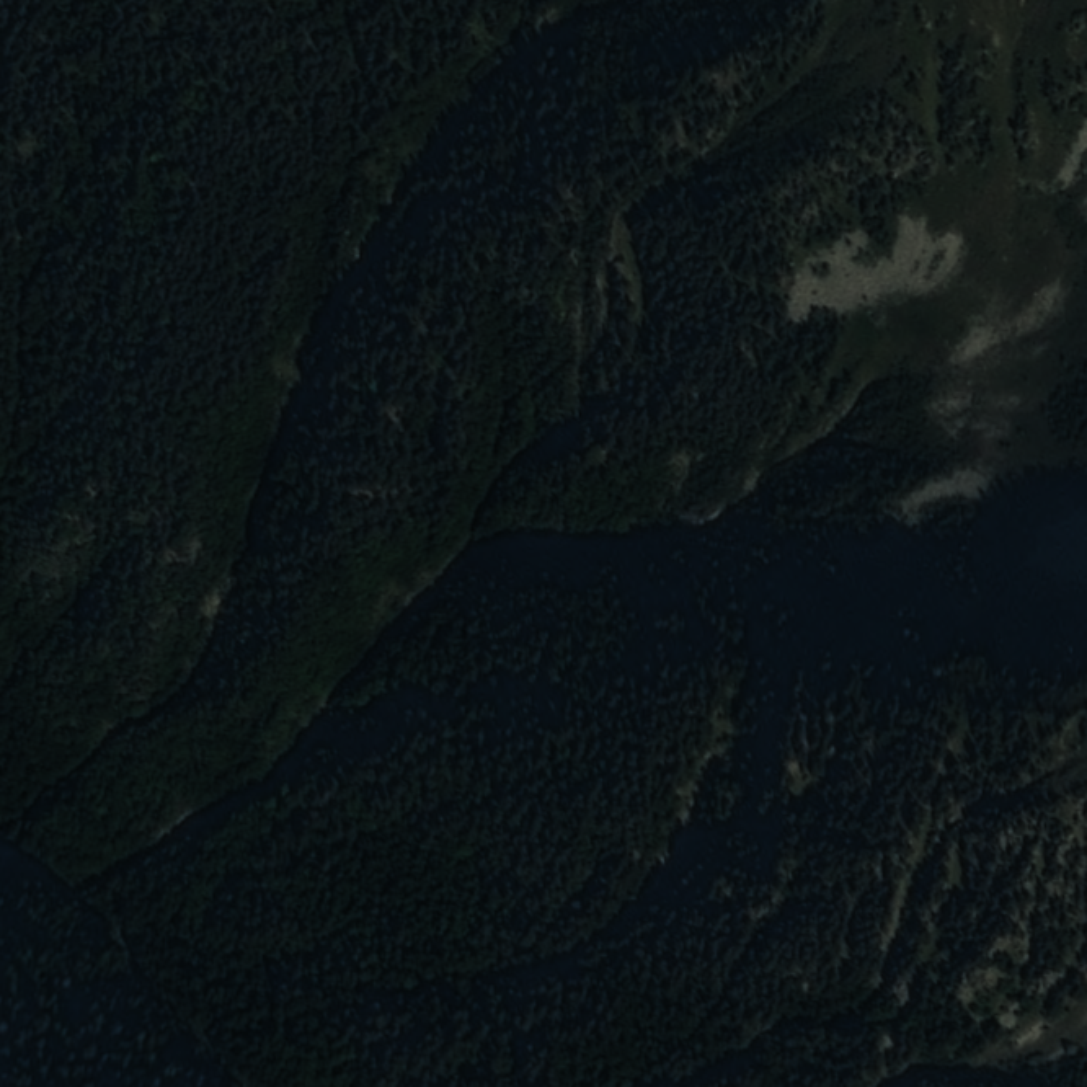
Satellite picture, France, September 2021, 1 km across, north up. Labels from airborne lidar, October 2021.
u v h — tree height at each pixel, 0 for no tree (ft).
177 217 69
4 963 78
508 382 46
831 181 23
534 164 29
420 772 115
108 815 62
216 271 77
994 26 0
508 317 56
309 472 116
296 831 111
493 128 44
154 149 21
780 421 36
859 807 104
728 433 53
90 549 46
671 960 97
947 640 24
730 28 18
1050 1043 0
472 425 59
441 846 91
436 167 44
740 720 65
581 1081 62
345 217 29
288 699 51
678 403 70
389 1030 147
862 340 0
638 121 30
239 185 65
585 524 46
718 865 20
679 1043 64
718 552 27
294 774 76
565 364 22
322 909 75
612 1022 83
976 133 32
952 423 0
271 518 70
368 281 89
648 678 52
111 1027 58
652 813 52
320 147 77
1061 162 0
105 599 58
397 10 28
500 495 51
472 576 71
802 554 36
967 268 0
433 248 24
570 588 34
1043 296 0
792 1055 31
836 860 74
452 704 71
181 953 88
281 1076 75
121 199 35
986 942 39
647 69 23
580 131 22
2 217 102
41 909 66
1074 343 0
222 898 69
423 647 63
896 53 0
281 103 36
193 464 95
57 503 82
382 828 91
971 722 40
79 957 81
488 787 105
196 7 50
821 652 19
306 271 54
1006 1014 27
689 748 61
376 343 89
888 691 24
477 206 117
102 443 89
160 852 35
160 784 58
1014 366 0
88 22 51
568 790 72
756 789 42
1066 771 0
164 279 85
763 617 38
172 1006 37
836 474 22
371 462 30
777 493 29
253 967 95
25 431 78
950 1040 99
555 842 67
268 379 28
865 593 18
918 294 0
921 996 99
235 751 81
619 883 98
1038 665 19
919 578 21
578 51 31
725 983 57
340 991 95
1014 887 18
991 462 0
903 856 71
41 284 79
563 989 105
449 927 92
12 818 75
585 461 67
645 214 35
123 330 67
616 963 64
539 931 94
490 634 52
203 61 90
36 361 77
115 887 50
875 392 24
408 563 52
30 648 83
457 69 41
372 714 39
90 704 85
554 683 65
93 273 63
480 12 24
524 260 50
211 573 31
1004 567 21
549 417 47
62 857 70
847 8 0
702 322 19
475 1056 31
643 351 47
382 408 94
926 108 0
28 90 43
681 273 70
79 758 65
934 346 0
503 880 67
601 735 92
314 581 100
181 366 100
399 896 80
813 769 105
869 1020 55
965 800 57
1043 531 0
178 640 46
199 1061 71
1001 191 0
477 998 24
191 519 37
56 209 58
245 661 58
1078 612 21
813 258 0
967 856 74
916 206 0
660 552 18
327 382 135
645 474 51
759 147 19
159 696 65
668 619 31
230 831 79
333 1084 81
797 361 72
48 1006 89
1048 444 0
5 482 31
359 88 58
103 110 42
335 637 58
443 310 22
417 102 27
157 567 44
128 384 75
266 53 93
